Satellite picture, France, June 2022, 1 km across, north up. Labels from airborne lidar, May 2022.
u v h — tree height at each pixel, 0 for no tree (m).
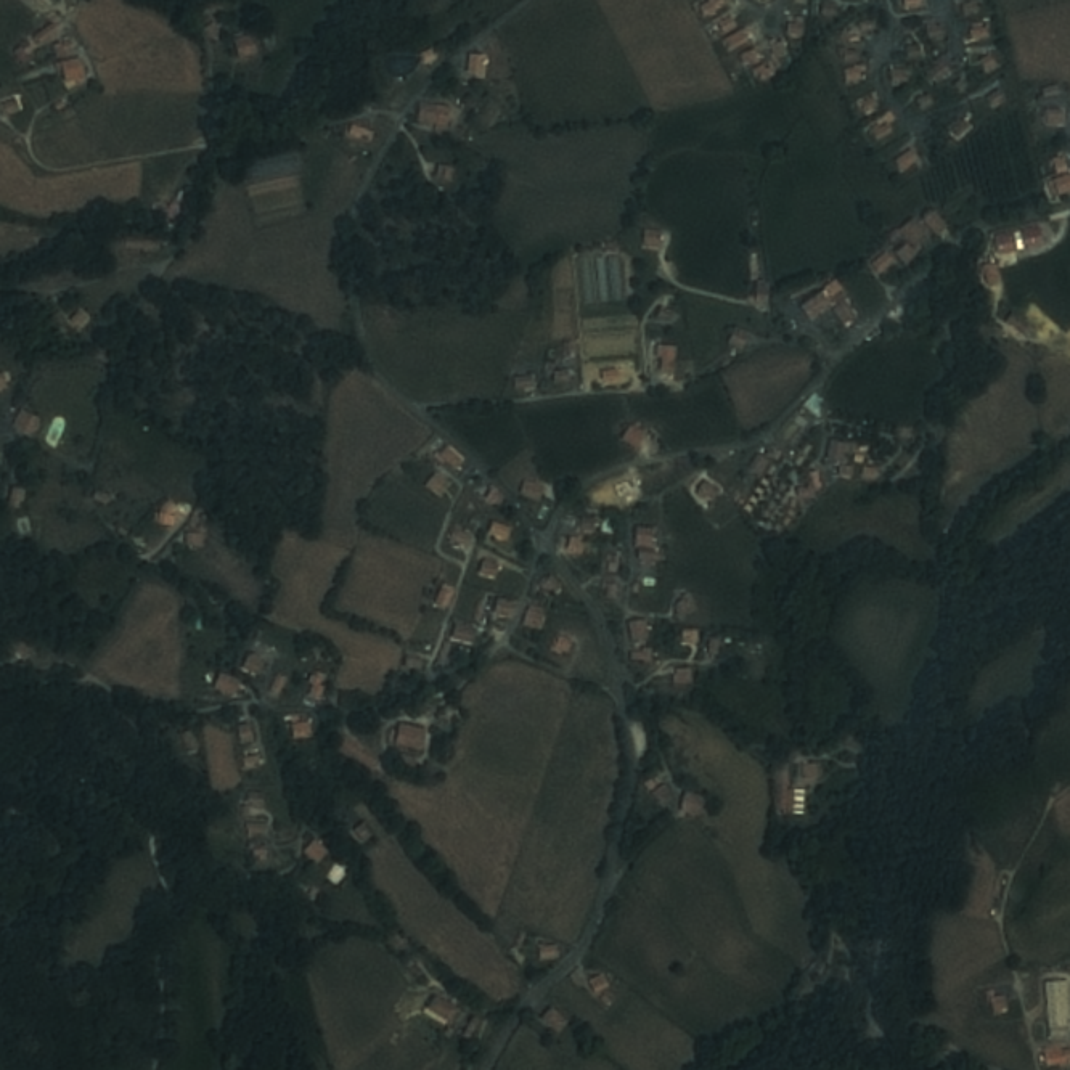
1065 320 0
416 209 16
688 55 0
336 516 0
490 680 0
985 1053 0
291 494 22
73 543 0
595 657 0
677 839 0
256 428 26
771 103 0
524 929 0
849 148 0
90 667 0
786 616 11
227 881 17
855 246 0
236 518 21
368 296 23
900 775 22
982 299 18
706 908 0
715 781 0
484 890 0
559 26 0
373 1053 0
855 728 16
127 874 0
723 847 0
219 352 23
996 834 0
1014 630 26
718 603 0
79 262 21
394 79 0
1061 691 20
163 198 0
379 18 22
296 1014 23
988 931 0
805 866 25
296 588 0
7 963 9
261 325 22
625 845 9
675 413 0
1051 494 0
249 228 0
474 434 0
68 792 11
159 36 0
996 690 0
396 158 0
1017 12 0
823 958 15
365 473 0
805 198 0
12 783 17
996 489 16
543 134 10
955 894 21
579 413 0
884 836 17
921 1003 9
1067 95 0
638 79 0
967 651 28
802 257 0
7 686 14
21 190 0
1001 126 7
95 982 18
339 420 0
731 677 14
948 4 0
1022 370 0
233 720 12
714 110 0
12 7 0
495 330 0
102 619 20
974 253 18
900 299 0
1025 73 0
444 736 13
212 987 0
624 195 0
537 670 0
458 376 0
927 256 9
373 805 16
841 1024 20
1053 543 23
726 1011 0
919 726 24
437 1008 0
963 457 0
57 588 12
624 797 11
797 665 16
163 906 25
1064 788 0
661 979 0
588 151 0
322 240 0
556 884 0
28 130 0
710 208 0
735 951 0
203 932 0
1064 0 0
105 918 0
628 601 0
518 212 0
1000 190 7
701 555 0
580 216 0
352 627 10
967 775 27
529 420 0
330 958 0
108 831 29
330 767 7
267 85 0
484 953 0
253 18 24
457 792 0
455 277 18
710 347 0
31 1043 14
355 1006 0
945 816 25
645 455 0
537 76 0
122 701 19
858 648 0
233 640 11
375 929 6
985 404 0
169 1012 11
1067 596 26
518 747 0
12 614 23
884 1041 14
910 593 0
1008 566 22
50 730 19
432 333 0
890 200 0
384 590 0
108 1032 8
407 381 0
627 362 0
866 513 0
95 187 0
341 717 22
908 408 0
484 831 0
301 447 25
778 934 0
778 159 17
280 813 0
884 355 0
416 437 0
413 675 11
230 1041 19
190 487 0
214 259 0
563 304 0
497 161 12
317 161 0
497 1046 0
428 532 0
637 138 0
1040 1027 0
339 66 25
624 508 0
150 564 10
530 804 0
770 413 0
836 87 0
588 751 0
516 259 19
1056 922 0
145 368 24
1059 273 0
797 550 22
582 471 0
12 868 10
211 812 19
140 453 0
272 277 0
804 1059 18
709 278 0
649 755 11
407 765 13
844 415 5
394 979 0
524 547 8
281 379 27
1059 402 0
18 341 15
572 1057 0
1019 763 24
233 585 0
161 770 23
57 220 9
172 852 22
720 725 8
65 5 0
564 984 0
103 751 28
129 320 13
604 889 0
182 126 0
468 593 0
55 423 0
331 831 17
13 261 8
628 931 0
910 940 13
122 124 0
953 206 9
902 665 0
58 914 19
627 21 0
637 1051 0
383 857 0
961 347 18
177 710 9
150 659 0
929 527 14
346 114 9
